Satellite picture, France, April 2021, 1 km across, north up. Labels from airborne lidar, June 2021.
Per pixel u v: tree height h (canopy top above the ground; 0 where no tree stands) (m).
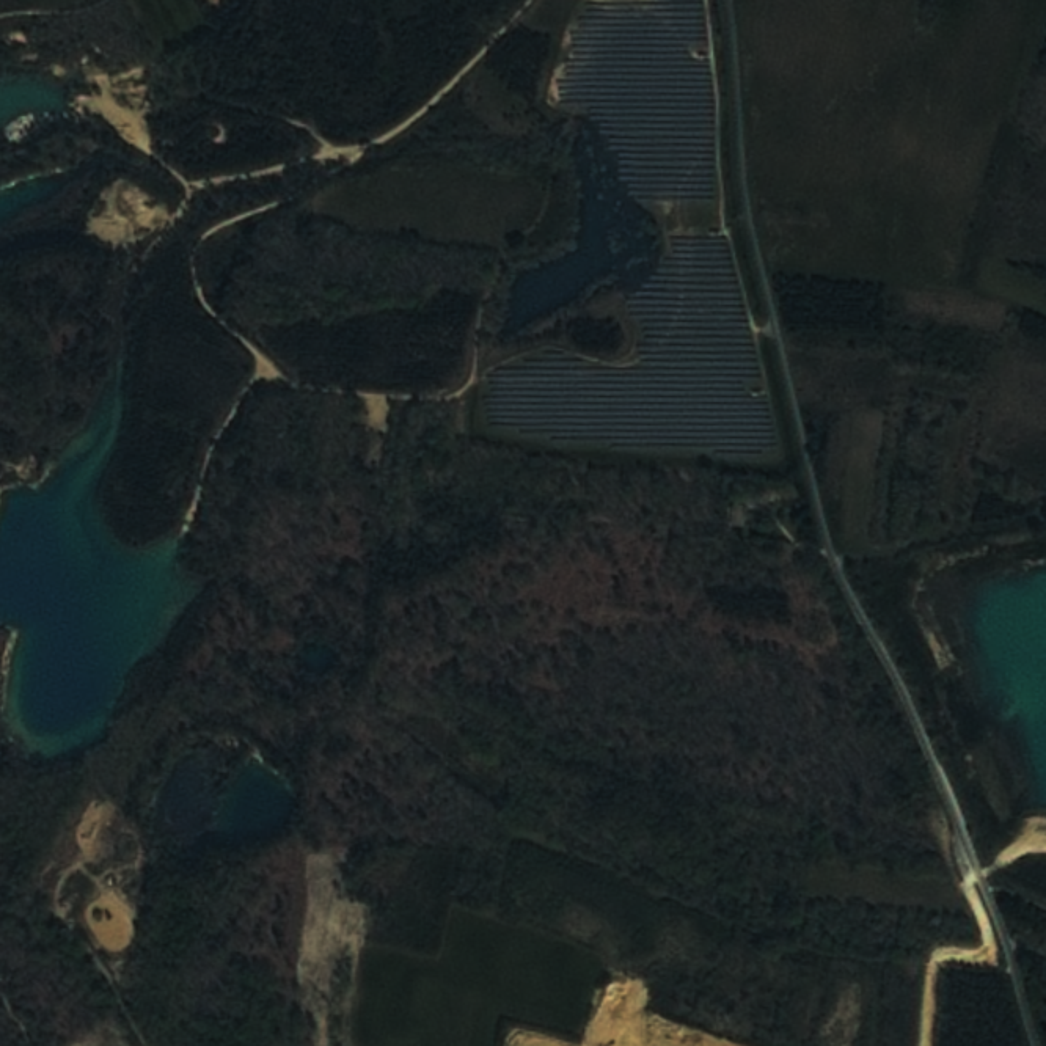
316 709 11
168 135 12
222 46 22
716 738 10
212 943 15
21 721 0
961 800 7
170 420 5
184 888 13
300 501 14
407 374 9
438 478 16
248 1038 17
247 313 12
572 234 6
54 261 13
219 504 9
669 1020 0
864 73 0
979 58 0
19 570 0
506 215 0
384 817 9
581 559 14
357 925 0
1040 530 15
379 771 17
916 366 16
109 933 0
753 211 0
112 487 6
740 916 26
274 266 11
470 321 8
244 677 20
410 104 7
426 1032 0
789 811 18
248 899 13
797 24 0
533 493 13
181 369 8
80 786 16
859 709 20
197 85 19
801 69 0
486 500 11
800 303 9
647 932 7
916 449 20
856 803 16
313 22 7
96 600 0
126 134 0
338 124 8
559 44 0
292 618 13
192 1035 12
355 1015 0
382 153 11
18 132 0
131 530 7
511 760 17
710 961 10
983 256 0
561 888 6
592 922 0
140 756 9
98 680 0
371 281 16
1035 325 9
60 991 16
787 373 0
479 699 20
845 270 0
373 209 0
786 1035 16
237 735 11
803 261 0
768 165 0
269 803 0
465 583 14
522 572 14
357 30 9
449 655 11
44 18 8
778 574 14
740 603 16
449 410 13
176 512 6
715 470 19
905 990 17
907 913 12
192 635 7
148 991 11
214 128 10
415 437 16
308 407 13
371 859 15
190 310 8
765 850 12
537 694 11
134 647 0
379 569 16
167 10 0
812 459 17
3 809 13
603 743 14
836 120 0
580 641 15
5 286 15
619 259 0
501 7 7
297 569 17
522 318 0
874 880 0
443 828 9
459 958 0
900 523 17
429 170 0
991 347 8
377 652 13
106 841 0
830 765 9
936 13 19
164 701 7
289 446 13
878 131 0
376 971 0
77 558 0
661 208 0
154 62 11
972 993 20
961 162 0
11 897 15
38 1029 5
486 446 12
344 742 14
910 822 23
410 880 8
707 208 0
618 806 20
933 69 0
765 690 12
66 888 0
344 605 9
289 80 8
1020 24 0
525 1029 0
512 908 7
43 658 0
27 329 13
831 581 17
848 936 6
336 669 15
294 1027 13
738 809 18
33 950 14
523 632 10
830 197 0
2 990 9
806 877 15
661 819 19
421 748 14
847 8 0
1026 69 0
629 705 11
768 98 0
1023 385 0
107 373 13
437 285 14
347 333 9
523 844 9
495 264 12
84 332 9
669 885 14
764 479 14
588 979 0
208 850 15
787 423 0
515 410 0
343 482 6
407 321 8
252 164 11
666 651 14
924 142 0
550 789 12
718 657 13
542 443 0
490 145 11
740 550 14
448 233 0
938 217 0
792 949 17
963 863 0
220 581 12
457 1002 0
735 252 0
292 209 16
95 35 14
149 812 7
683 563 13
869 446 0
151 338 7
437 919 6
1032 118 19
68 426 12
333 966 0
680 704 13
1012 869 9
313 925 0
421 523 17
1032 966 24
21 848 9
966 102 0
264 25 16
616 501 13
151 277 8
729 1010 10
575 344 9
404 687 15
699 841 20
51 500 0
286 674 8
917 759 18
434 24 8
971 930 16
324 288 17
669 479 18
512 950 0
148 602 0
